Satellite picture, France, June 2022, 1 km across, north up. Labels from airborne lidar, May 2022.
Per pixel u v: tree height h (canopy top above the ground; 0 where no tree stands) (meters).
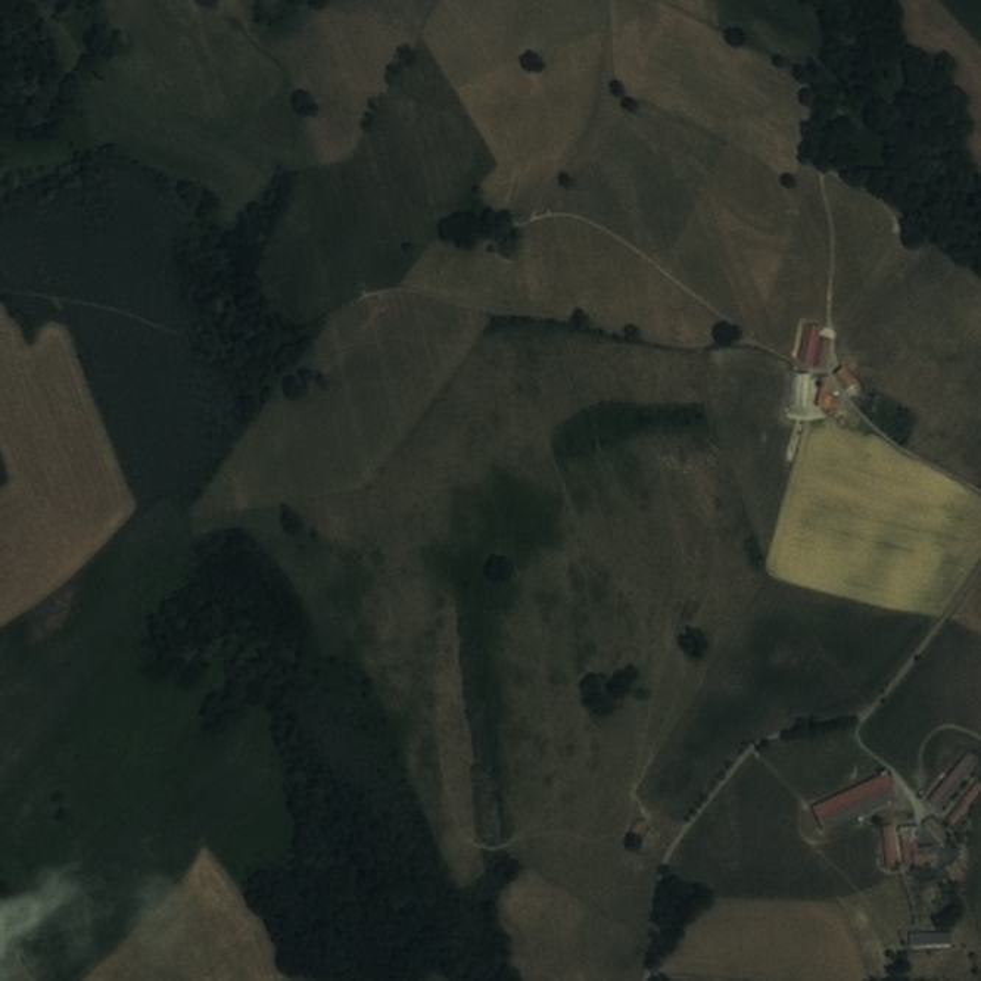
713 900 14
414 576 0
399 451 0
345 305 0
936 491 0
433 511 0
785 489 0
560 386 0
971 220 24
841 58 24
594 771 0
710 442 0
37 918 0
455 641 0
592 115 0
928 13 0
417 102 0
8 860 0
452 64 0
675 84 0
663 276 0
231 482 0
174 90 0
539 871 0
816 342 0
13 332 0
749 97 0
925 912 0
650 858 0
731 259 0
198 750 0
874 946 0
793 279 0
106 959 0
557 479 0
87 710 0
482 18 0
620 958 0
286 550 0
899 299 0
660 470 0
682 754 0
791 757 0
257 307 17
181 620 20
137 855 0
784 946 0
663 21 0
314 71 0
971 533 0
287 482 0
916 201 23
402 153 0
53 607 0
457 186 0
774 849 0
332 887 18
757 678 0
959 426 0
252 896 13
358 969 21
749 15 0
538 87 0
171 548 0
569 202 0
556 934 0
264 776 0
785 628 0
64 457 0
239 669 17
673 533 0
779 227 0
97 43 23
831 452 0
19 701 0
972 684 0
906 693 0
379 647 0
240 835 0
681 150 0
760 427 0
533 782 0
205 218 12
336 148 0
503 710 0
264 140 0
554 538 0
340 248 0
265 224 10
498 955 9
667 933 14
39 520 0
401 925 28
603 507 0
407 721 0
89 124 0
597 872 0
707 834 0
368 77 0
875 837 0
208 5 12
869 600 0
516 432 0
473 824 0
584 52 0
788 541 0
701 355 0
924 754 0
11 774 0
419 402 0
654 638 0
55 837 0
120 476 0
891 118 23
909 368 0
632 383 0
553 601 0
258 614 27
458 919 8
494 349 0
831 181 0
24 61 14
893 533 0
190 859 0
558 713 0
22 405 0
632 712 0
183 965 0
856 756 0
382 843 13
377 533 0
